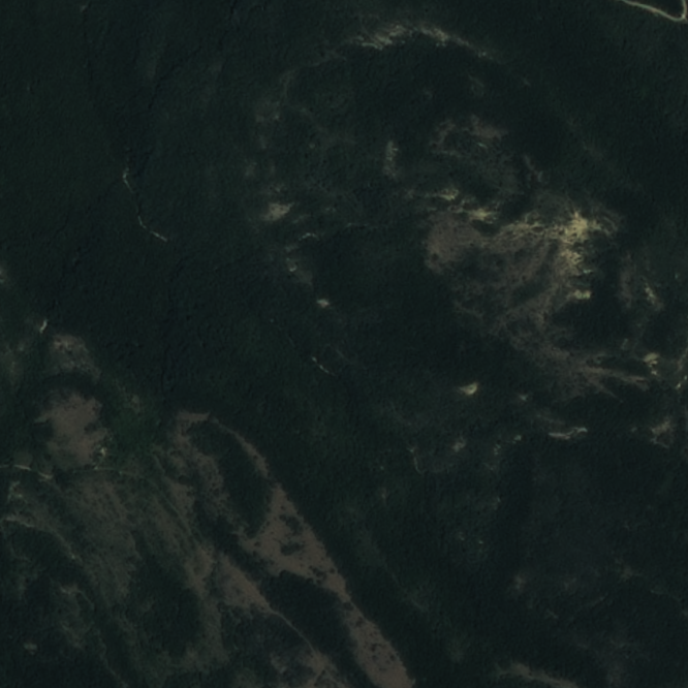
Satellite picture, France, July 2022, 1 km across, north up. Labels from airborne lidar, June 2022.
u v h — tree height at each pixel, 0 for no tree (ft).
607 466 28
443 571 51
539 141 30
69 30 33
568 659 27
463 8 28
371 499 26
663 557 26
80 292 52
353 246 18
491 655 46
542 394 22
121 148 52
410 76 30
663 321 19
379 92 26
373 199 31
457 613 41
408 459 35
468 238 0
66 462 0
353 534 20
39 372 30
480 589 27
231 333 41
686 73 24
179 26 29
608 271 18
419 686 33
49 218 64
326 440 35
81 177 41
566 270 0
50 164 37
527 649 42
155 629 32
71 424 0
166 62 40
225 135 23
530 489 30
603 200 23
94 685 37
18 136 40
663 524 21
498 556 34
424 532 52
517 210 23
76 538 22
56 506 20
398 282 26
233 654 24
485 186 19
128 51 31
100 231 39
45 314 44
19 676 45
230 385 38
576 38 49
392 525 39
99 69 53
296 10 30
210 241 24
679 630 28
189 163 21
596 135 33
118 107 36
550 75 32
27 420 32
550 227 0
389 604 36
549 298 0
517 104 37
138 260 52
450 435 24
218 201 20
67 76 24
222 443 24
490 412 26
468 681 29
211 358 44
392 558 35
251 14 29
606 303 23
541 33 45
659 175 36
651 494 26
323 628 43
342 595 0
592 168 22
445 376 27
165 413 29
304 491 48
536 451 25
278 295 20
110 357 52
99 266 54
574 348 22
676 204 27
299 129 19
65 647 29
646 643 22
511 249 0
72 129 38
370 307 27
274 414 35
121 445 34
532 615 23
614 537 25
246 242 21
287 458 19
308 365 34
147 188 25
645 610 28
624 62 28
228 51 25
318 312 20
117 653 31
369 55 27
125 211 37
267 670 26
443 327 21
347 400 45
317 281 27
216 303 45
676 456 21
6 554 31
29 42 47
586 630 18
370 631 0
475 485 34
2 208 51
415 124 27
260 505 19
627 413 21
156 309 60
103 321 49
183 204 29
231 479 30
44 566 24
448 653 23
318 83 21
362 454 26
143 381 31
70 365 0
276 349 35
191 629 35
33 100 43
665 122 31
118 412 27
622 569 20
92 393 24
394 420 19
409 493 18
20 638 28
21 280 54
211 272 32
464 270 19
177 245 24
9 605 32
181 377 39
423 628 39
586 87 36
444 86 24
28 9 28
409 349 27
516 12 51
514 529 30
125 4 32
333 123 20
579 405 22
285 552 22
